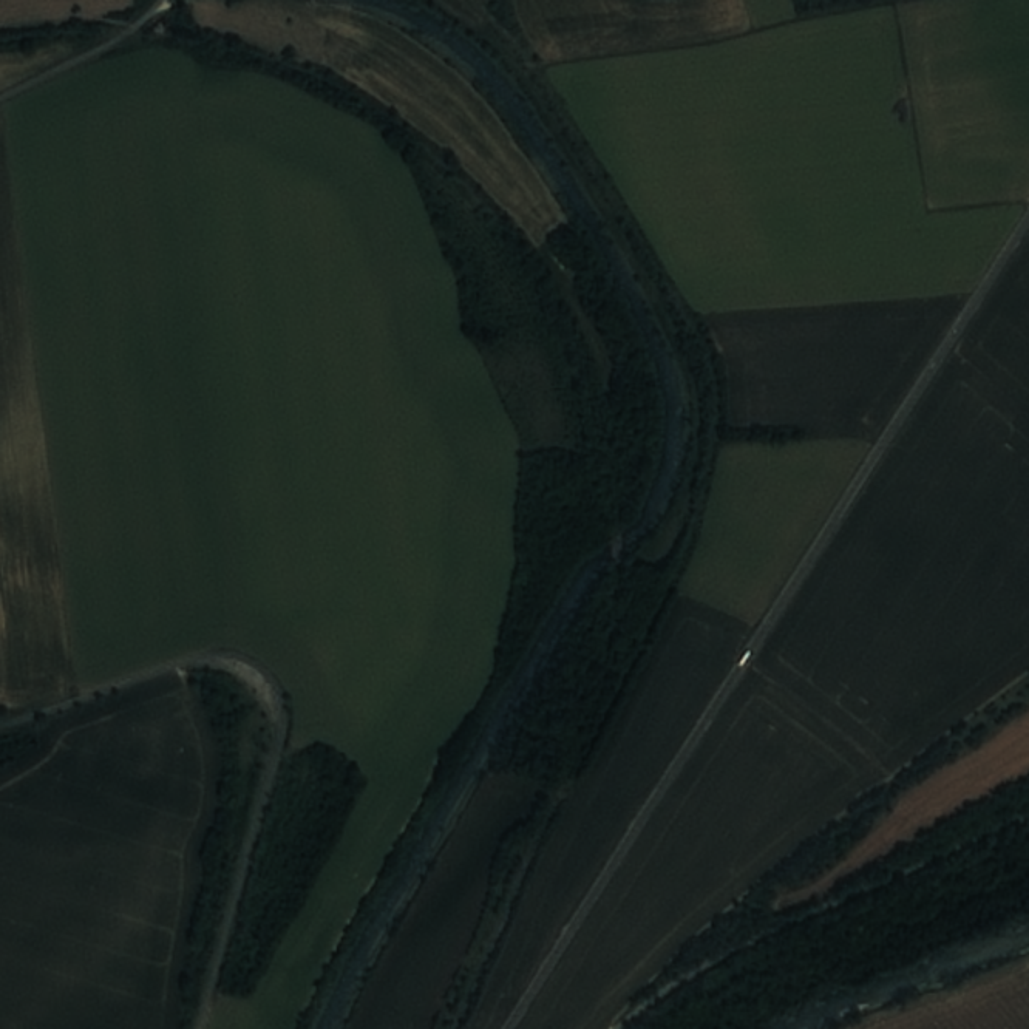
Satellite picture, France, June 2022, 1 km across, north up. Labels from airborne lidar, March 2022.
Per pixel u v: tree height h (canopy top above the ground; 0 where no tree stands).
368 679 0
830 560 0
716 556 0
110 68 0
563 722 25
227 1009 0
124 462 0
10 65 0
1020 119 0
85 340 0
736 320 0
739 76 0
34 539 0
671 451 0
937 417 0
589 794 0
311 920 0
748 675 0
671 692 0
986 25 0
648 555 0
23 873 0
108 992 0
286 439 0
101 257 0
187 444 0
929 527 0
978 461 0
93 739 0
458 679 0
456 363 0
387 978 0
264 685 0
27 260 0
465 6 0
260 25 0
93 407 0
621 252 0
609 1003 0
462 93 0
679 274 0
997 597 0
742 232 0
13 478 0
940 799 0
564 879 0
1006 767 0
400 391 0
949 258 0
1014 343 0
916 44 0
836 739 0
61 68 0
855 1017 14
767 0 0
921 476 0
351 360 0
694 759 0
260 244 0
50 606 0
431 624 0
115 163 0
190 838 0
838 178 0
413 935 0
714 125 0
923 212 0
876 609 0
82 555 0
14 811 0
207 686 9
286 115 0
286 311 0
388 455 0
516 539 6
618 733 0
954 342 0
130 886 0
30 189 0
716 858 0
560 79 0
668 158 0
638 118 0
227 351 0
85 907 0
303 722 0
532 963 0
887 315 0
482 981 6
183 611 0
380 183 0
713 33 0
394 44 0
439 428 0
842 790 0
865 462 0
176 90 0
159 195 0
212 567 0
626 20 0
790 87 0
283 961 0
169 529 0
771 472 0
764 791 0
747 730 0
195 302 0
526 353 0
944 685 0
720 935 16
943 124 0
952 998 0
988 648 0
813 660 0
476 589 0
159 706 0
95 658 0
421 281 0
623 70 0
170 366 0
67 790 0
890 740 0
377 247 0
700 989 12
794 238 0
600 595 9
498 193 0
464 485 0
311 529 0
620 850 0
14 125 0
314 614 0
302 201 0
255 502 0
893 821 0
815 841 11
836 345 0
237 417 0
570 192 0
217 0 0
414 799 0
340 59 0
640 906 0
